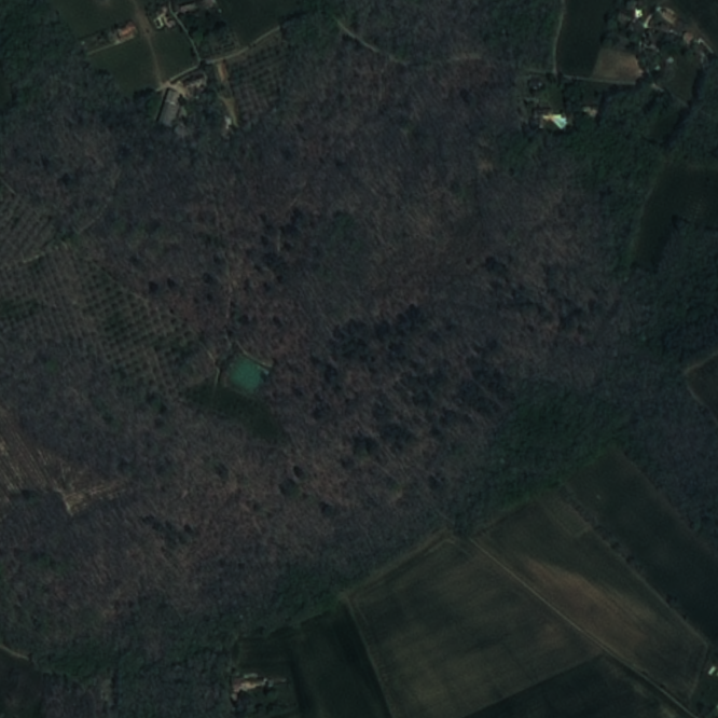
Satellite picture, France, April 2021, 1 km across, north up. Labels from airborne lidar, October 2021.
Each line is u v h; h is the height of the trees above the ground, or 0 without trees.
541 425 21
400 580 0
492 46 23
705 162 28
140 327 8
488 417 26
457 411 21
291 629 14
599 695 0
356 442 12
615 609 0
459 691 0
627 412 21
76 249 17
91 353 12
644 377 23
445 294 17
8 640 18
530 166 25
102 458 12
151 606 19
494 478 20
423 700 0
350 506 17
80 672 20
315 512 15
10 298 12
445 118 16
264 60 8
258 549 7
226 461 18
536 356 20
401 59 18
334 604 21
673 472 20
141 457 14
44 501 14
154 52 0
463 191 15
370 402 13
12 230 12
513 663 0
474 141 24
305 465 13
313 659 0
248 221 15
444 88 8
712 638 0
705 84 26
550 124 0
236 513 12
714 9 0
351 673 0
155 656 18
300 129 11
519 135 18
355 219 13
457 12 16
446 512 21
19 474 0
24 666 0
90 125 14
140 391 17
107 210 14
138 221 18
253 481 16
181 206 15
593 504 0
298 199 11
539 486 24
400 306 9
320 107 10
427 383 14
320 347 15
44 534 16
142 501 12
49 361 17
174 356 11
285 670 0
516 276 11
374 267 14
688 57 14
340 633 0
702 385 0
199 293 7
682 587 0
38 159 15
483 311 15
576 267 17
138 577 16
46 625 20
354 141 14
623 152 28
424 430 25
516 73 15
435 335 13
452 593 0
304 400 21
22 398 14
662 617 0
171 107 0
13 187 13
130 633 22
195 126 16
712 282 23
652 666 0
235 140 15
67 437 12
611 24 16
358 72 17
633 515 0
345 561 22
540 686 0
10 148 15
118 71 0
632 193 17
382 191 13
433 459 10
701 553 0
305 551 18
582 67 0
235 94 11
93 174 20
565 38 0
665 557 0
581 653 0
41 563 23
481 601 0
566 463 21
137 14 0
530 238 16
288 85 18
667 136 0
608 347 13
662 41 9
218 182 19
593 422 20
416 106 17
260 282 15
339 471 11
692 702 0
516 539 0
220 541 16
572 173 19
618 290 20
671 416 24
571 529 0
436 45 14
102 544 19
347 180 11
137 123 24
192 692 27
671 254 20
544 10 19
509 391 14
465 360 19
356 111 7
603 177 20
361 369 9
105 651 15
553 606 0
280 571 17
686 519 14
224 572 19
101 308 10
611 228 24
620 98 22
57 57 21
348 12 22
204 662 22
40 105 12
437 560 0
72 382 16
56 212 17
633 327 17
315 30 22
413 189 8
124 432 13
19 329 12
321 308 18
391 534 19
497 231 17
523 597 0
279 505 13
